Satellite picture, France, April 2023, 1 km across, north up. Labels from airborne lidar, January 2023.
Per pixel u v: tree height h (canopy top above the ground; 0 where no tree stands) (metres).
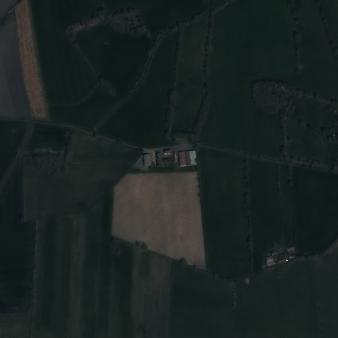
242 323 0
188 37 0
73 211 0
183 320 0
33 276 9
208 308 0
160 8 0
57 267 0
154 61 0
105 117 0
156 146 0
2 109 0
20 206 0
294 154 0
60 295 0
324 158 0
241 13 0
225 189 0
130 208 0
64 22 0
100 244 0
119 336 0
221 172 0
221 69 0
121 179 0
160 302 0
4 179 0
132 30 14
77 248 0
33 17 0
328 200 0
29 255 0
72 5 0
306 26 0
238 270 0
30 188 0
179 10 0
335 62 0
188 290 0
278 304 0
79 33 0
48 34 0
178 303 0
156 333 0
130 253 0
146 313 0
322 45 0
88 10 0
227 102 0
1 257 0
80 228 0
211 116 0
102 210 0
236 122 0
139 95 0
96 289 0
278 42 0
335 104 16
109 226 0
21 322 0
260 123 0
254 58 0
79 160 0
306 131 0
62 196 0
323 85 0
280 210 0
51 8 0
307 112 0
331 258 0
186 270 0
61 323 0
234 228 0
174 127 0
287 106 15
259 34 0
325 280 0
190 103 0
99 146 0
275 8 0
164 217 0
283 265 0
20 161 0
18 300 0
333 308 0
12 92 0
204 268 0
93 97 0
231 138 0
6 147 0
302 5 0
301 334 0
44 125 0
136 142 0
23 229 0
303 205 0
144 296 0
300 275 0
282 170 0
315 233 0
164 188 0
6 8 0
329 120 0
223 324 0
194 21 11
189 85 0
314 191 0
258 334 0
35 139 0
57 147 0
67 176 0
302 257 13
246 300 0
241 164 0
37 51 0
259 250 0
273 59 0
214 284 0
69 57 0
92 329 0
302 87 0
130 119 0
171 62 0
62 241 0
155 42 8
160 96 0
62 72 0
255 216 0
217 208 0
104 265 0
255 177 0
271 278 0
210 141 0
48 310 0
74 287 0
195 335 0
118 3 0
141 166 0
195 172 0
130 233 0
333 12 0
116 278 0
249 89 0
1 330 0
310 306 0
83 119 0
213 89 0
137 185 0
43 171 22
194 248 0
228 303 0
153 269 0
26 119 0
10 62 0
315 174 0
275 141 0
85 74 0
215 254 0
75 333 0
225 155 0
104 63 0
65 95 0
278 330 0
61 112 0
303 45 0
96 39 0
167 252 0
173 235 0
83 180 0
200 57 0
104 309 0
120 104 0
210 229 0
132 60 0
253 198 0
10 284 0
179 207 0
